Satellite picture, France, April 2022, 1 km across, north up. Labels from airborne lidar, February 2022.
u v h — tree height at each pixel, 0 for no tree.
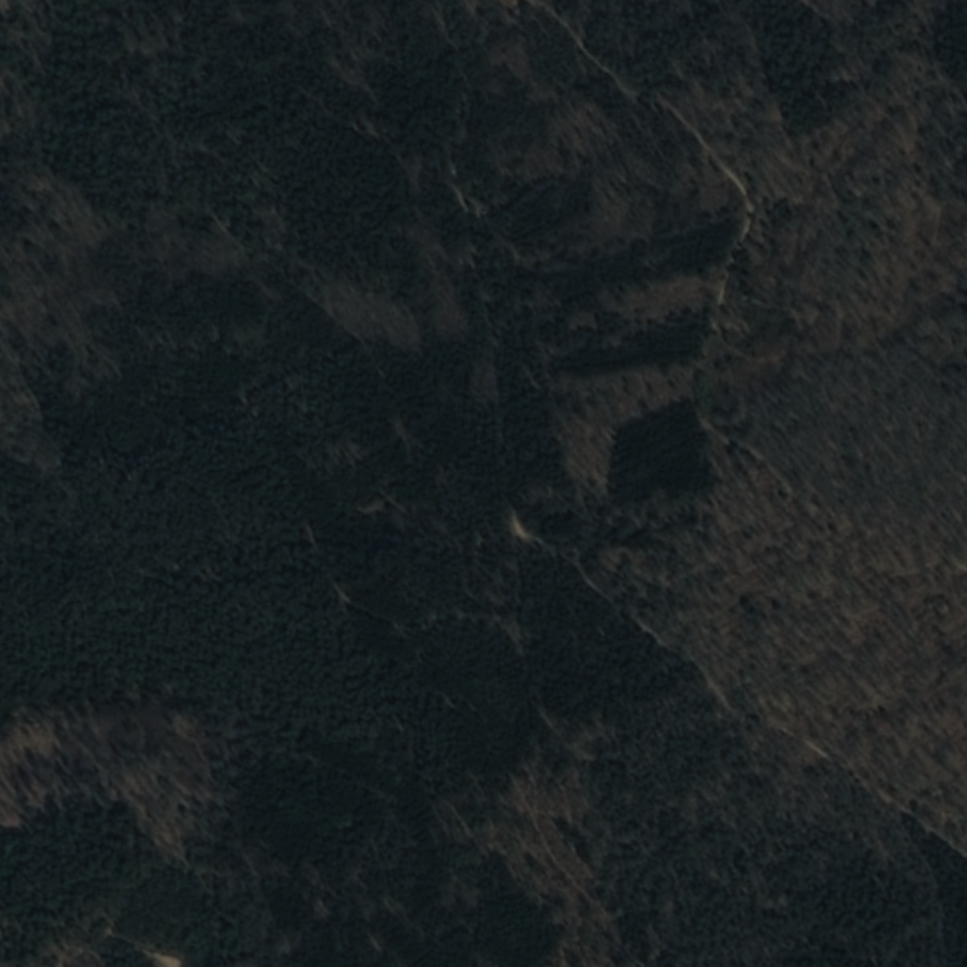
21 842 19
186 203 22
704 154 21
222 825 25
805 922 27
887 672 26
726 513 24
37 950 16
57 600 24
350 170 29
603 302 15
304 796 16
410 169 24
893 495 24
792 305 26
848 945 8
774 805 29
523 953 17
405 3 19
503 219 14
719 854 25
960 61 26
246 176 22
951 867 20
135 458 8
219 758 10
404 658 19
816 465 25
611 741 16
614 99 25
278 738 17
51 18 22
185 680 34
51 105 25
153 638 24
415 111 27
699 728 27
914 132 25
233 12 29
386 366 32
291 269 18
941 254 26
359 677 29
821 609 27
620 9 24
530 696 20
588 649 27
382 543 11
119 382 14
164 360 16
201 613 23
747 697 21
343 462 17
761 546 24
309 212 26
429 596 23
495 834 14
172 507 30
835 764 21
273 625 23
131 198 28
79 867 24
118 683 36
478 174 12
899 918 26
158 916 22
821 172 28
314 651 28
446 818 12
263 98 29
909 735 25
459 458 20
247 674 26
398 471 19
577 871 17
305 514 23
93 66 26
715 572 25
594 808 18
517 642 19
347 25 22
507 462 26
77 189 29
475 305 26
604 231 11
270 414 18
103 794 22
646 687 26
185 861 22
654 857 23
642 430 18
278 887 19
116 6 29
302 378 17
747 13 28
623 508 15
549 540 19
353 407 28
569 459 20
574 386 14
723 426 28
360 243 19
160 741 11
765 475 22
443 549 20
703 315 6
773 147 22
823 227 25
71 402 18
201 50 22
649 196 21
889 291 26
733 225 13
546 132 15
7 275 20
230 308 17
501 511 22
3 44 21
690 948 29
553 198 16
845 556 26
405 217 24
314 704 29
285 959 22
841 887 29
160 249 15
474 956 21
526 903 18
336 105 32
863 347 26
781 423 25
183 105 24
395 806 12
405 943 20
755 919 28
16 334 19
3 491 28
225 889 17
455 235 24
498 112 10
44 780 28
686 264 14
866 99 23
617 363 12
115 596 26
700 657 21
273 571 26
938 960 22
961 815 24
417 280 27
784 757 24
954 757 28
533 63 19
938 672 28
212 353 17
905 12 31
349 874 24
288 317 11
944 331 26
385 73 22
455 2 27
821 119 29
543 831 14
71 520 23
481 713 18
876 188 22
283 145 25
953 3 16
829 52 28
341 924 19
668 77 28
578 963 18
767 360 8
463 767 22
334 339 14
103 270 14
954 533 25
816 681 25
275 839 15
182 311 19
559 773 19
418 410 27
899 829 24
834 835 26
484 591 22
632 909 14
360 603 22
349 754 11
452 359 30
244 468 31
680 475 21
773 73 25
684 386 15
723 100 27
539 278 6
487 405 20
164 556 23
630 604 20
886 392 30
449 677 17
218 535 28
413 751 9
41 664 28
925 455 23
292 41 26
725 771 25
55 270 19
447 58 18
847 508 24
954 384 21
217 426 11
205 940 10
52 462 22
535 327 25
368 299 22
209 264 16
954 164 27
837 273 24
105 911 21
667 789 28
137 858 19
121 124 22
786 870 15
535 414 29
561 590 23
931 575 25
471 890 14
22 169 19
